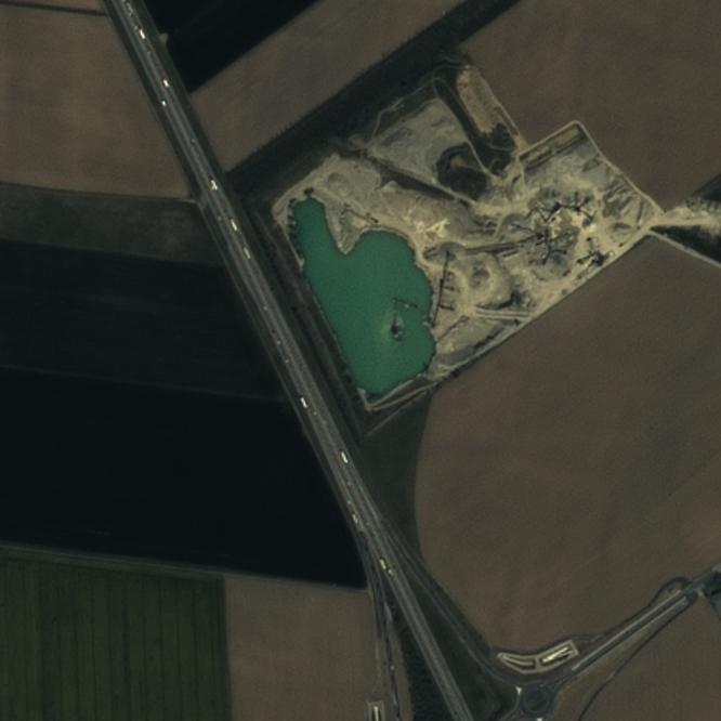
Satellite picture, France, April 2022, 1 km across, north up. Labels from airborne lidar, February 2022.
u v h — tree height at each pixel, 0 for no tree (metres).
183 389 0
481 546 0
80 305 0
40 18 0
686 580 0
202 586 0
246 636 0
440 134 0
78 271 0
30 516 0
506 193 0
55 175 0
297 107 0
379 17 0
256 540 0
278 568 0
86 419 0
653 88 0
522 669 0
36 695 0
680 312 0
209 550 0
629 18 0
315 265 0
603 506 0
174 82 0
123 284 0
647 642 0
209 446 0
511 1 0
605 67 0
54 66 0
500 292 0
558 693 0
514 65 0
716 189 0
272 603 0
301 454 0
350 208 0
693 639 0
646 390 0
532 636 0
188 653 0
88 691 0
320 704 0
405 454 0
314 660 0
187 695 0
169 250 0
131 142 0
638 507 0
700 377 0
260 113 0
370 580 0
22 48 0
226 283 0
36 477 0
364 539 0
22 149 0
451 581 0
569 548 0
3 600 0
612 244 0
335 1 0
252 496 0
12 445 0
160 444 0
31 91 0
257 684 0
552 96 0
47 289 0
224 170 0
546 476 0
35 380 0
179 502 0
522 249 0
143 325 0
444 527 0
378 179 0
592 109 0
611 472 0
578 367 0
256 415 0
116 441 0
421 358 0
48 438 0
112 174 0
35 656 0
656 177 0
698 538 0
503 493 0
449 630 0
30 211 0
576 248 0
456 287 0
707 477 0
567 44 0
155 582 0
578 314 0
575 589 0
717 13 0
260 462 0
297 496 0
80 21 0
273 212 0
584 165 0
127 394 0
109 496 0
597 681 0
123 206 0
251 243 0
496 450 0
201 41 0
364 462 0
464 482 0
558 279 0
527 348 0
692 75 0
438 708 10
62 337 0
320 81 0
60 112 0
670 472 0
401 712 0
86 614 0
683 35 0
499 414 0
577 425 0
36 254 0
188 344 0
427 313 0
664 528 0
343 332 0
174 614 0
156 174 0
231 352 0
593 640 0
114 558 0
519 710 0
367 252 0
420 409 0
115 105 0
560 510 0
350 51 0
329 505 0
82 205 0
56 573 0
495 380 0
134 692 0
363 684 0
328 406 0
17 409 0
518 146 0
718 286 0
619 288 0
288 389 0
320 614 0
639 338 0
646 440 0
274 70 0
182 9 0
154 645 0
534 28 0
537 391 0
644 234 0
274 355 0
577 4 0
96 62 0
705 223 0
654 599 0
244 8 0
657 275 0
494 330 0
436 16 0
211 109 0
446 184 0
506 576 0
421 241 0
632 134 0
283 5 0
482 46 0
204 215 0
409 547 0
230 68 0
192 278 0
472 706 0
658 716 0
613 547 0
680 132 0
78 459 0
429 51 0
